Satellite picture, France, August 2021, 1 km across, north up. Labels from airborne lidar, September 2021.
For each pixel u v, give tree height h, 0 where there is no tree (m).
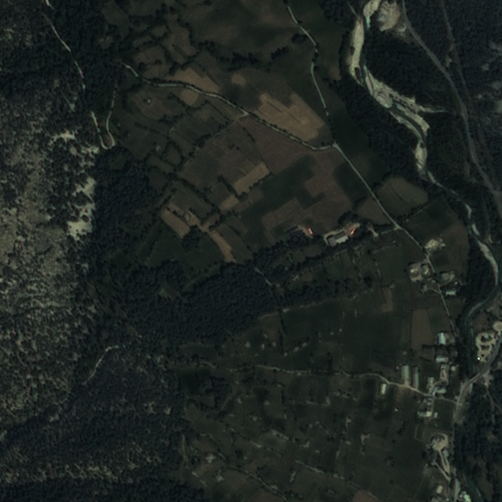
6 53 17
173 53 0
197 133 0
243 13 0
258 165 0
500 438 18
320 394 0
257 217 0
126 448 14
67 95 9
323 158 0
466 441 18
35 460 10
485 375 0
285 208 0
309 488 0
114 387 10
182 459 13
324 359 0
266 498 0
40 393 13
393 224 6
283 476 0
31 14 12
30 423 19
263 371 0
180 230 0
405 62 15
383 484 0
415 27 14
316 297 15
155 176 0
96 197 6
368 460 0
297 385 0
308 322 0
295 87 0
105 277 26
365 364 0
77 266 8
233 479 0
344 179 0
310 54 0
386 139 6
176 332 14
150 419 16
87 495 17
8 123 7
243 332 15
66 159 10
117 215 19
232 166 0
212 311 14
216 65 0
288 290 10
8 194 14
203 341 19
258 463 0
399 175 14
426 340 0
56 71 12
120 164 0
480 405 8
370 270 0
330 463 0
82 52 23
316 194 0
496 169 7
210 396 15
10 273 10
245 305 18
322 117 0
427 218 0
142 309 15
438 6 11
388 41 6
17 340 10
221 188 0
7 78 20
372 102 13
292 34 0
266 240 0
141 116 0
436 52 11
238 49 0
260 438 0
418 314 0
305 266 10
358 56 0
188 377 0
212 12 0
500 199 0
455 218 0
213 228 8
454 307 0
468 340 10
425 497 0
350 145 0
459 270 0
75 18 23
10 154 10
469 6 9
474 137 11
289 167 0
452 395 0
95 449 17
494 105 8
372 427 0
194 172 0
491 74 7
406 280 0
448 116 6
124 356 8
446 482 0
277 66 0
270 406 0
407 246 0
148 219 0
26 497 24
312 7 0
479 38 16
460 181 8
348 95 7
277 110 0
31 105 8
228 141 0
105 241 22
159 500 34
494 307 0
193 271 8
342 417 0
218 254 0
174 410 16
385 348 0
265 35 0
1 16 7
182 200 0
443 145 10
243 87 0
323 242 8
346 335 0
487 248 0
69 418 9
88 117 9
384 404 0
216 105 0
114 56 21
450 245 0
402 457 0
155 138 0
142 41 0
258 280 13
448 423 0
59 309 9
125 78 14
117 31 11
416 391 0
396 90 12
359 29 0
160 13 12
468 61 14
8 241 0
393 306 0
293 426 0
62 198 12
